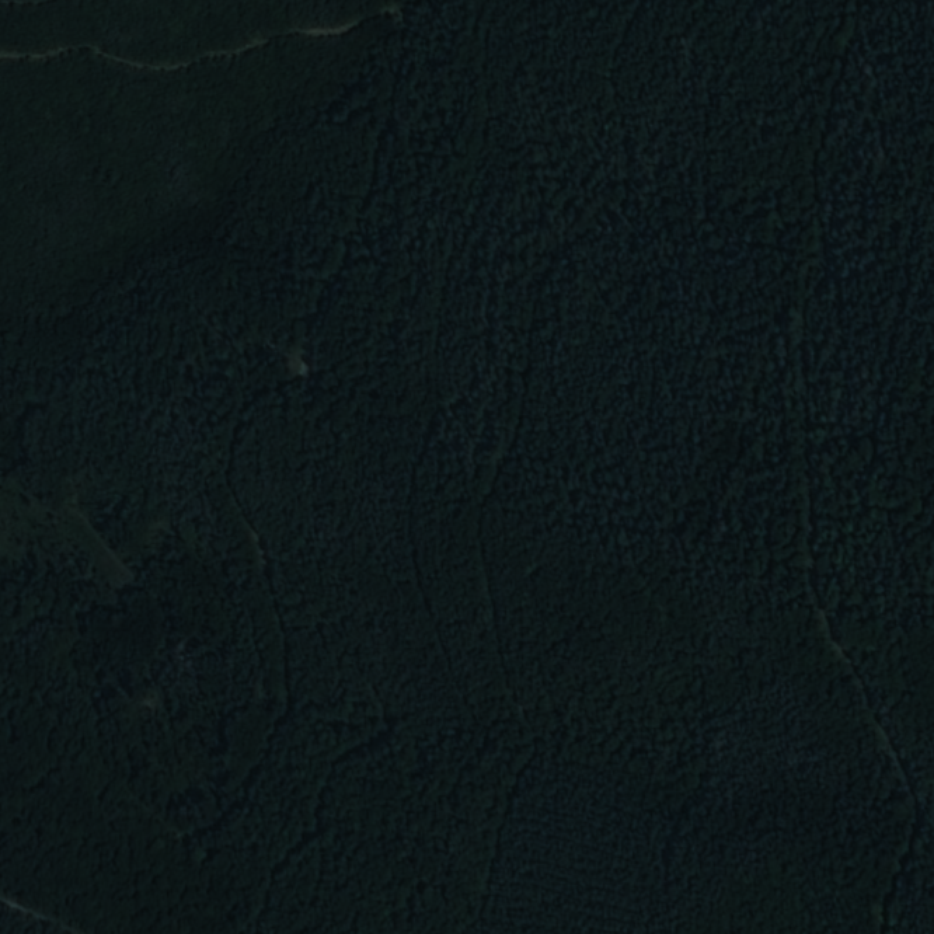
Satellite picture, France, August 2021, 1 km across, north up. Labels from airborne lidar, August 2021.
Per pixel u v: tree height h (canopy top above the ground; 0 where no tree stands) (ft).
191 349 86
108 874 95
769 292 71
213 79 72
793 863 72
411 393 75
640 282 60
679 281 61
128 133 59
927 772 86
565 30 63
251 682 58
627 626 69
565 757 88
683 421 79
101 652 45
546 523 58
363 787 58
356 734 92
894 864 65
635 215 65
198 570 27
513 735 75
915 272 72
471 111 62
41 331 77
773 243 47
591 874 47
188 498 67
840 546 55
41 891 75
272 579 79
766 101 49
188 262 77
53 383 91
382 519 56
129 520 74
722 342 49
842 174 40
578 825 55
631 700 56
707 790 65
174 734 31
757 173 71
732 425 43
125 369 94
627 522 57
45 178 48
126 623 73
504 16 57
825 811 80
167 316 100
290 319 71
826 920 58
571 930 48
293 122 83
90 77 66
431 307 67
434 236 80
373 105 68
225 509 73
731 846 94
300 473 65
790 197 80
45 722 80
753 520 23
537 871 53
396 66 75
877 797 77
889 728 79
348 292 83
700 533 21
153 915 100
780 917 64
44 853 89
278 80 59
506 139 61
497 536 68
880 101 24
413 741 77
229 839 77
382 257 74
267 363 64
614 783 62
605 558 72
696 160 70
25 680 90
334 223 86
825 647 65
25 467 61
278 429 80
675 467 81
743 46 45
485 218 78
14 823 55
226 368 25
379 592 58
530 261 89
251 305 80
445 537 72
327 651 73
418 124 75
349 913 59
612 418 78
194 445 66
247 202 66
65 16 64
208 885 82
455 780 73
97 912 67
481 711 50
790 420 46
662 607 67
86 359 94
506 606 56
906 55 68
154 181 67
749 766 100
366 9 62
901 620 30
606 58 61
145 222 57
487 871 49
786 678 95
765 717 82
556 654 65
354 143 64
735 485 85
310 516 58
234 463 55
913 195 58
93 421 69
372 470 39
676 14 69
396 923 57
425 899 74
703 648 63
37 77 61
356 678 66
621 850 53
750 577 43
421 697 56
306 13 54
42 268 57
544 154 100
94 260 77
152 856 84
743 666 60
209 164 70
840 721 74
